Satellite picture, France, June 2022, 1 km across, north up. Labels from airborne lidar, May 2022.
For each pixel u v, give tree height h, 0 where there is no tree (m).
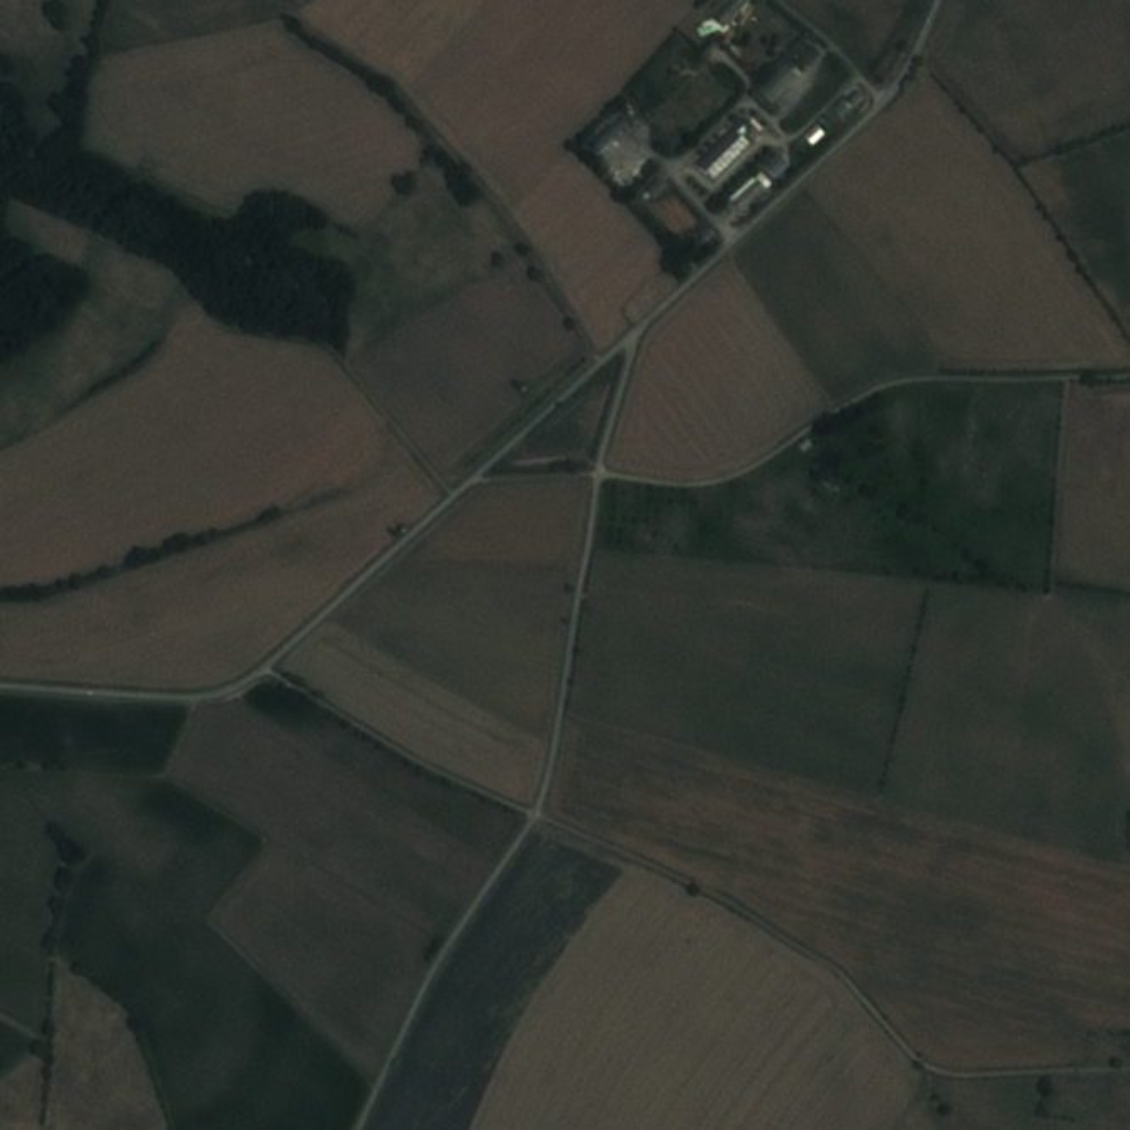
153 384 0
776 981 0
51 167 28
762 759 0
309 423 0
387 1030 0
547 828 0
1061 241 10
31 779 0
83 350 0
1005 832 0
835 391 0
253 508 0
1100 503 0
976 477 0
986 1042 0
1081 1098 0
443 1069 0
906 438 0
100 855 0
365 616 0
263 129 0
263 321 19
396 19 0
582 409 0
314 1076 0
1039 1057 0
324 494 0
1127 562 0
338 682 0
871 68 0
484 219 0
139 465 0
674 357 0
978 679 0
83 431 0
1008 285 0
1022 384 0
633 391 0
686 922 0
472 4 0
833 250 0
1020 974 0
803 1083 0
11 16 0
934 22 0
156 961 0
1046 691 0
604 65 0
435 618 0
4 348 13
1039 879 0
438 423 0
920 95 0
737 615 0
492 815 0
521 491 0
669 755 0
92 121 0
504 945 0
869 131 0
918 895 0
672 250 12
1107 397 0
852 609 0
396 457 0
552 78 0
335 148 0
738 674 0
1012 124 0
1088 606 0
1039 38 0
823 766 0
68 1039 0
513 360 0
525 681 0
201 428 0
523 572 0
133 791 0
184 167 0
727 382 0
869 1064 0
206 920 0
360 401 0
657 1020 0
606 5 0
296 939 0
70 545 0
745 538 0
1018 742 0
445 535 0
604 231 0
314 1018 0
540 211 0
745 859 0
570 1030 0
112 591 0
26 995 0
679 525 0
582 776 0
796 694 0
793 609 0
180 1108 0
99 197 19
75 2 0
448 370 0
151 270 0
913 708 0
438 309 0
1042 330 0
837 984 0
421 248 0
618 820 0
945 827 0
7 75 18
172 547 12
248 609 0
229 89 0
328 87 0
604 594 0
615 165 0
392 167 0
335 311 16
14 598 14
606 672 0
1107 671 0
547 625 0
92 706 0
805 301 0
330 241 0
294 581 0
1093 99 0
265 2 0
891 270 0
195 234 22
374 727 0
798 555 0
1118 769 0
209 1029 0
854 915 0
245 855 0
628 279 0
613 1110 0
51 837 11
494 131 0
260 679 0
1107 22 0
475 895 0
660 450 0
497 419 0
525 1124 0
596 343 0
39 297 28
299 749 0
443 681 0
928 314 0
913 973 0
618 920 0
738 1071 0
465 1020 0
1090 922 0
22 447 0
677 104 0
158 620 0
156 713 0
